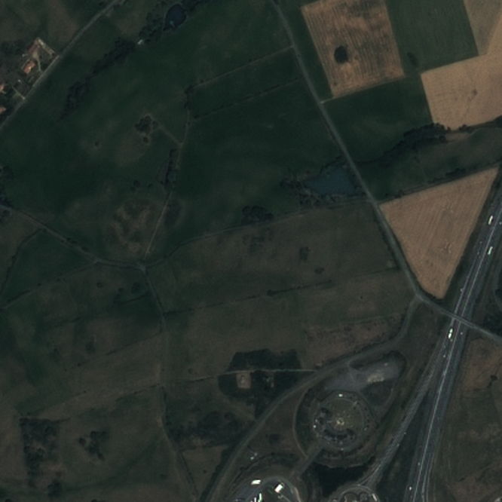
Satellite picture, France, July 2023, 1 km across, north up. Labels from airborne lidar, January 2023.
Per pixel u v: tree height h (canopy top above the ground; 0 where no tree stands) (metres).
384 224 0
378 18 0
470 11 0
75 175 0
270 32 0
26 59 0
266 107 0
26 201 0
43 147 0
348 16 0
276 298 0
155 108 0
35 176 0
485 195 0
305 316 0
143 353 0
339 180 0
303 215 0
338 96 0
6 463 0
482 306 0
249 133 0
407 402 0
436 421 0
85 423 0
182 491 0
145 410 0
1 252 0
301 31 0
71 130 0
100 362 0
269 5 0
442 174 0
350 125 0
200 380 0
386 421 0
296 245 0
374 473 0
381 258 0
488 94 0
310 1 0
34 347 0
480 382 0
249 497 0
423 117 0
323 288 0
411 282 0
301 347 0
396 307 0
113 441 0
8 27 0
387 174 0
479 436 0
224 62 0
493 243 0
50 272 0
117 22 0
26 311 0
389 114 0
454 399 0
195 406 0
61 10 0
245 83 0
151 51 0
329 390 0
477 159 0
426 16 0
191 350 0
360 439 0
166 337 0
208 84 0
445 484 0
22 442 0
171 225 0
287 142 0
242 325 0
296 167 0
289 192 32
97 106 0
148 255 0
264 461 0
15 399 0
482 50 0
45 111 0
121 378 0
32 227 0
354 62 0
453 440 0
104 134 0
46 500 0
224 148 0
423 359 0
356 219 0
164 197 0
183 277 0
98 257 0
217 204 0
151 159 0
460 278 0
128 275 0
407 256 0
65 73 0
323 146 0
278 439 0
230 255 0
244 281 0
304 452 0
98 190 0
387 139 0
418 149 11
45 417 0
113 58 10
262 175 0
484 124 0
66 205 0
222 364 0
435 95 0
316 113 0
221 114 0
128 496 0
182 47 0
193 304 0
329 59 0
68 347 0
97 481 0
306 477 0
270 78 0
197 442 0
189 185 0
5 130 0
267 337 0
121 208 0
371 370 0
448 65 0
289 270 0
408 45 0
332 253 0
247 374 0
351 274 0
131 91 0
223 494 0
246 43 0
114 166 0
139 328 0
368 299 0
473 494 0
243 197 0
